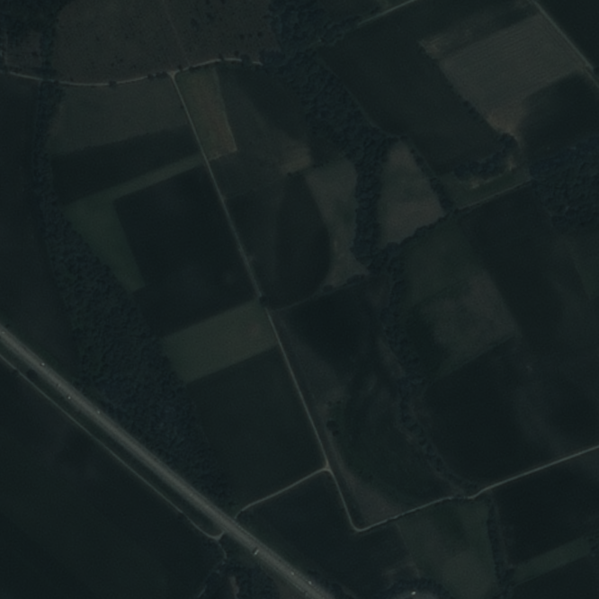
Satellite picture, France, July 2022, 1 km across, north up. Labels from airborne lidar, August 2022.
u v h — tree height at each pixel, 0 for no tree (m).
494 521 11
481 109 0
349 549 0
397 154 0
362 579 0
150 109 0
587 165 26
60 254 11
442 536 0
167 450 23
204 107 0
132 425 20
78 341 14
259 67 10
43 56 12
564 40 0
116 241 0
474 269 0
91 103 0
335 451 0
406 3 0
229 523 0
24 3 32
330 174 0
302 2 8
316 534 0
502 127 0
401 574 0
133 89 0
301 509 0
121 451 6
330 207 0
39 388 0
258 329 0
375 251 21
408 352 15
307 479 0
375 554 0
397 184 0
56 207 19
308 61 22
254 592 19
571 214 17
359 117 24
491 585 0
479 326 0
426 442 12
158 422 25
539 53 0
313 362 0
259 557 0
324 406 0
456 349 0
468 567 0
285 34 27
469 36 0
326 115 23
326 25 14
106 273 17
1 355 0
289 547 0
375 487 0
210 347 0
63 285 7
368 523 0
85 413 0
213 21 21
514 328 0
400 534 0
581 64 0
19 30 17
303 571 0
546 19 0
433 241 0
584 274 0
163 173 0
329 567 0
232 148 0
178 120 0
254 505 0
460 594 0
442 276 0
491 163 16
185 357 0
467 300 0
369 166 13
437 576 0
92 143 0
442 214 0
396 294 14
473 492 7
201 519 7
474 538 0
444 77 6
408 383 26
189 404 12
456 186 0
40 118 18
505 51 0
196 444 22
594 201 22
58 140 0
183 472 9
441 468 13
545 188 21
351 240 0
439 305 0
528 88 0
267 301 13
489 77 0
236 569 20
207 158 0
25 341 0
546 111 0
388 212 0
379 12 9
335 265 0
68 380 0
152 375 10
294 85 11
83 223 0
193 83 0
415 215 0
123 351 17
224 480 16
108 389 16
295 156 0
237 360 0
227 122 0
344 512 9
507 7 0
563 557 0
